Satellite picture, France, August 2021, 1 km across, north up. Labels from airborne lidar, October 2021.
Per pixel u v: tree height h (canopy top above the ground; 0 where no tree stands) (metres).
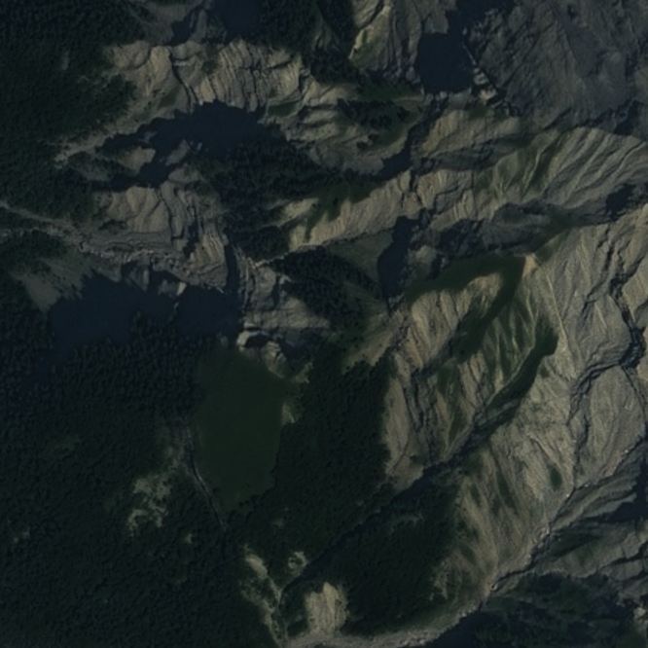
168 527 13
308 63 16
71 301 0
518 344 0
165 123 0
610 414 0
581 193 0
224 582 11
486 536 0
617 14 0
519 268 0
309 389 12
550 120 0
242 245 18
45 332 16
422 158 0
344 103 0
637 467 0
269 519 10
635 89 0
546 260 0
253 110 0
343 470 16
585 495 0
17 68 23
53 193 12
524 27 0
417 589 12
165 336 22
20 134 11
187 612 24
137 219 0
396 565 16
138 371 24
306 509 15
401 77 0
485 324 0
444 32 0
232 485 0
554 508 0
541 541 0
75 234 0
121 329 0
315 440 11
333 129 0
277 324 0
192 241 0
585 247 0
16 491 18
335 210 0
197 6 0
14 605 18
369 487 16
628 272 0
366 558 20
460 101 0
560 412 0
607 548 0
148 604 22
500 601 0
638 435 0
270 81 0
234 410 0
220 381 0
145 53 0
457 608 0
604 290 0
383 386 10
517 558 0
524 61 0
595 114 0
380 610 19
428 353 0
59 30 27
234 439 0
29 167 12
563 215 0
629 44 0
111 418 10
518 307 0
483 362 0
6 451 11
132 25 12
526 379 0
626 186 0
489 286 0
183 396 16
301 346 0
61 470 13
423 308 0
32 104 22
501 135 0
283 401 0
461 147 0
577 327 0
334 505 18
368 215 0
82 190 16
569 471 0
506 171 0
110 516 11
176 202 0
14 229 9
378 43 0
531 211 0
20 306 7
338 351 13
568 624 0
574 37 0
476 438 0
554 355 0
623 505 0
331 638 0
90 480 20
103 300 0
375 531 9
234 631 12
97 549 15
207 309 0
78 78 9
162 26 0
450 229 0
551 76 0
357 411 19
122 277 0
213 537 17
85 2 23
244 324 0
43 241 7
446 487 0
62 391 25
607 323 0
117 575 19
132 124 0
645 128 0
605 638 0
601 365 0
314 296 17
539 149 0
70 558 19
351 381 13
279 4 22
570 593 0
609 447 0
